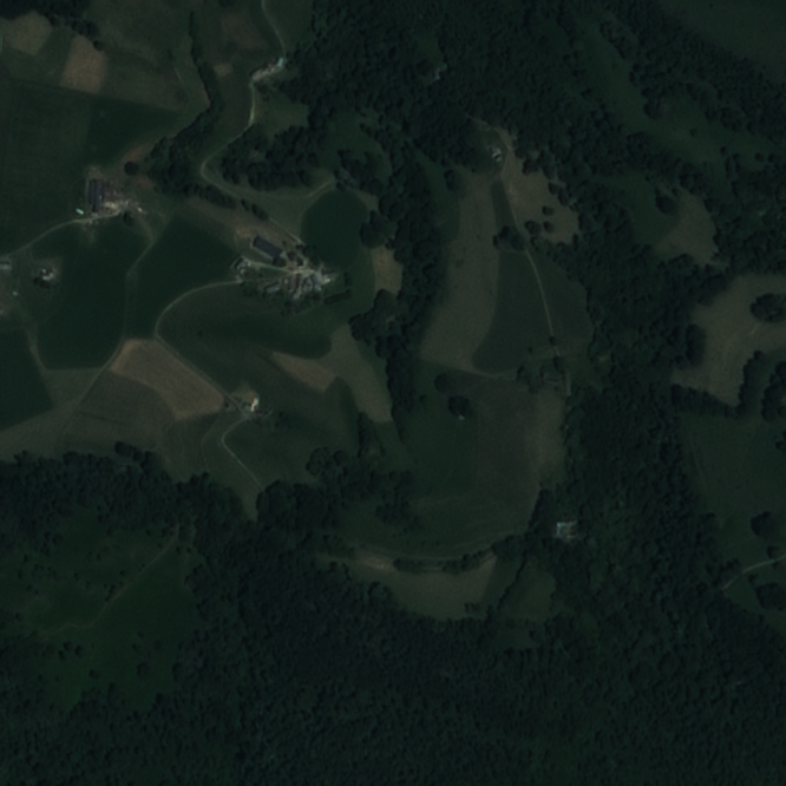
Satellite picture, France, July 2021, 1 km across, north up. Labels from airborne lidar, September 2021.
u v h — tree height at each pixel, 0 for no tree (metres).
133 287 0
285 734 15
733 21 0
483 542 0
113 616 0
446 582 0
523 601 0
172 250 0
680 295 38
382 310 21
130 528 8
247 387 0
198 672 7
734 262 6
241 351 0
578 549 15
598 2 11
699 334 18
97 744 16
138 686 0
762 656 23
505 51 15
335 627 16
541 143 23
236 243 0
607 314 24
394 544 0
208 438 0
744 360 0
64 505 16
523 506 0
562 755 11
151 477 18
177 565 0
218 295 0
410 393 11
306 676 13
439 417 0
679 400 16
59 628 0
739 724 12
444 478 0
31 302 0
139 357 0
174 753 6
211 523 18
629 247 22
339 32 26
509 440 0
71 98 0
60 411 0
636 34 15
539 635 15
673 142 0
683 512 19
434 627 20
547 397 0
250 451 0
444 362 0
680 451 21
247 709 24
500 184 0
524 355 0
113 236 0
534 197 0
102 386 0
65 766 16
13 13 23
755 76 15
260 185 18
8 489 12
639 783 11
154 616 0
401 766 18
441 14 15
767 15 0
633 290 34
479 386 0
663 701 17
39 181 0
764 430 0
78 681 0
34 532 16
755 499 0
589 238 19
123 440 0
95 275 0
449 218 0
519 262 0
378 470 21
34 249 0
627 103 0
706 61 9
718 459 0
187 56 0
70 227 0
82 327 0
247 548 22
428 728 22
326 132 28
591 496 14
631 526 27
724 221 9
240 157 6
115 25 0
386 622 16
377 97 24
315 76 9
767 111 15
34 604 0
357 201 0
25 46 0
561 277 0
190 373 0
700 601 14
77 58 0
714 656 15
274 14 0
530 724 13
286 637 20
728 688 18
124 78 0
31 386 0
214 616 10
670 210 31
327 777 13
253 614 18
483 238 0
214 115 19
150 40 0
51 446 0
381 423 0
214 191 18
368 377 0
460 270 0
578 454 20
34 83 0
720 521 22
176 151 20
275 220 0
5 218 0
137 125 0
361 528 0
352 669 14
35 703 8
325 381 0
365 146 0
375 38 26
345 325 0
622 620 24
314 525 22
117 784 17
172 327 0
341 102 29
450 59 13
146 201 0
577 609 10
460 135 11
